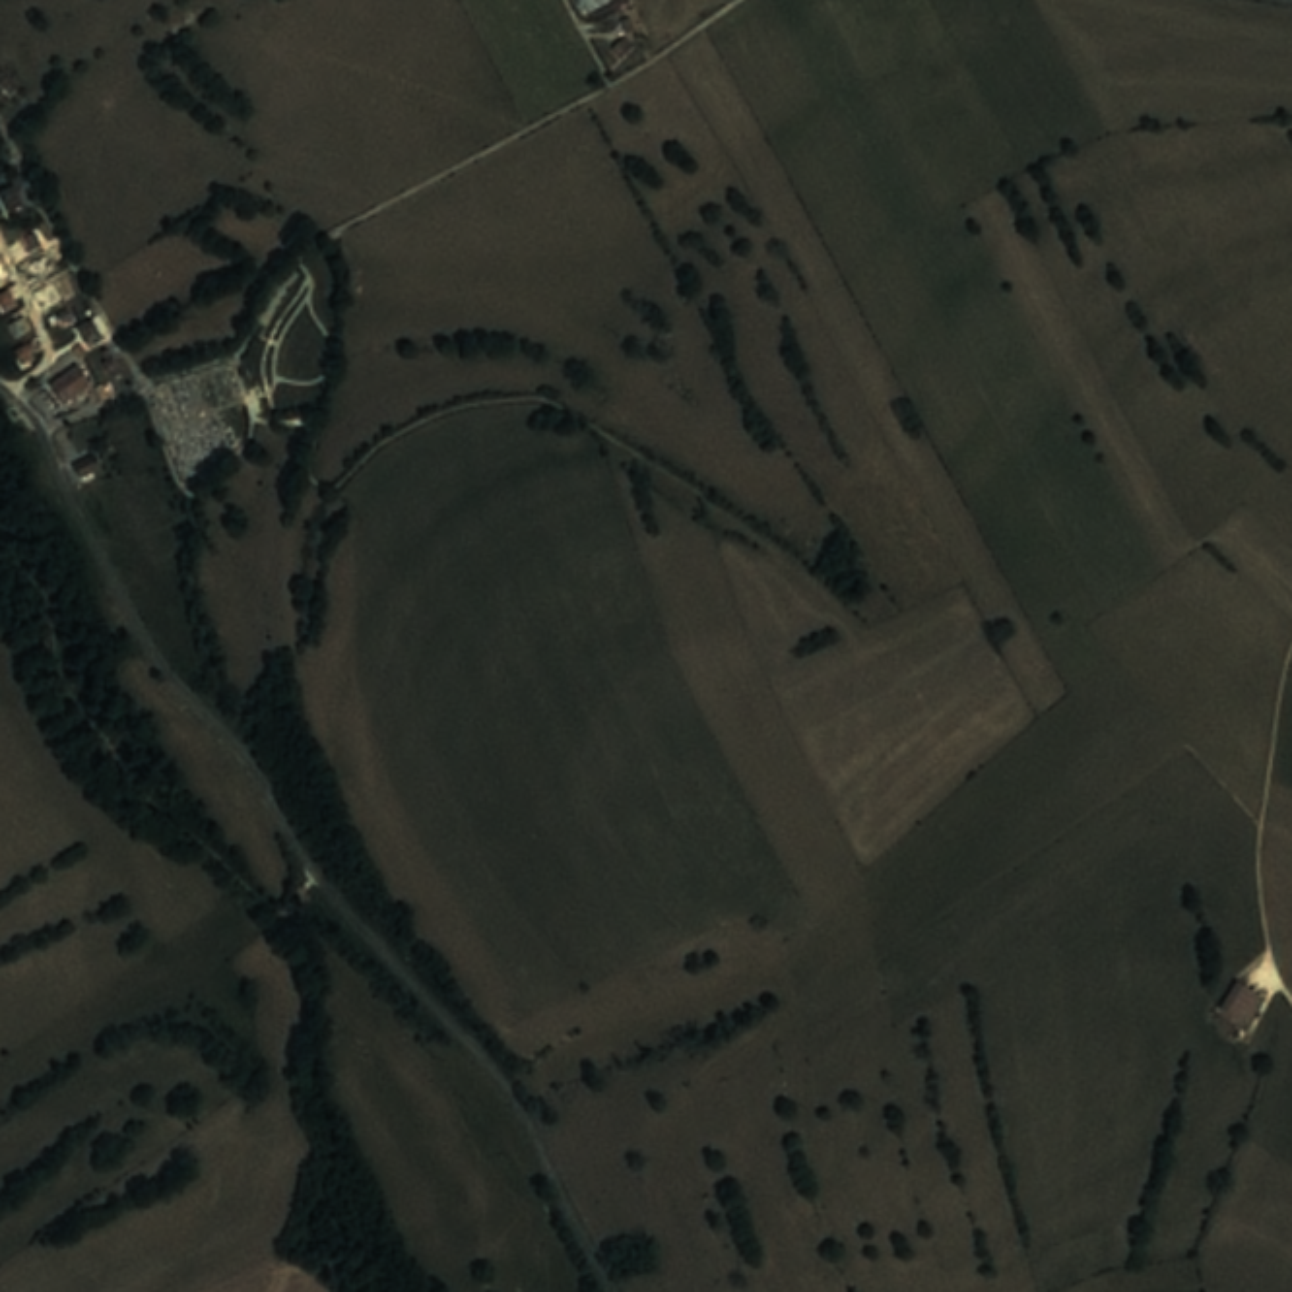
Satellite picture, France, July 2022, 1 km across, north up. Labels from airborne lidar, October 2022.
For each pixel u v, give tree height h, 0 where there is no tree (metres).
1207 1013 0
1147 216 0
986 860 0
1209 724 0
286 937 30
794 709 0
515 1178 0
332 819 20
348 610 0
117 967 0
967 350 0
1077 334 0
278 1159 0
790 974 0
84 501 0
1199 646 0
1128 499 0
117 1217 9
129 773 30
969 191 0
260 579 0
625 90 0
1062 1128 0
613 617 0
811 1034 0
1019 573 0
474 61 0
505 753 0
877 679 0
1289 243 0
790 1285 0
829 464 0
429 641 0
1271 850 0
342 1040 0
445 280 0
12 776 0
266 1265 0
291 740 14
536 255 0
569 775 0
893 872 0
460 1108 0
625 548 0
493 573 0
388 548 0
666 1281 0
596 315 0
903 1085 0
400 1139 0
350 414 0
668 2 0
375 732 0
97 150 0
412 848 0
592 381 20
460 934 0
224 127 11
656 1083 0
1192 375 15
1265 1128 0
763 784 0
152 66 19
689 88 0
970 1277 0
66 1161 15
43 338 0
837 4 0
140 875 0
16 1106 14
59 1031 0
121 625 0
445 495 0
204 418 0
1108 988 0
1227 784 0
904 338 0
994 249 0
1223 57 0
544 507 0
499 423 0
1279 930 0
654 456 14
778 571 0
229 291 19
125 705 25
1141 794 0
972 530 0
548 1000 0
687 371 0
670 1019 0
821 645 7
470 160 0
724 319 15
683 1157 0
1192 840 0
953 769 0
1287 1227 0
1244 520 0
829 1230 0
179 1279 0
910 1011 0
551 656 0
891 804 0
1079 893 0
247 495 0
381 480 0
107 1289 0
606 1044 0
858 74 0
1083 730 0
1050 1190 0
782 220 0
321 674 0
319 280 0
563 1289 0
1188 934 0
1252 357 0
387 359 0
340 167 0
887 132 0
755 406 6
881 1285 0
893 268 0
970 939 0
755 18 0
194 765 0
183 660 0
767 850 0
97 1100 0
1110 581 0
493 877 0
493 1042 20
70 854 8
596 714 0
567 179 0
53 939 11
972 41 0
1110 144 0
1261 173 0
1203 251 0
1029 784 0
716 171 0
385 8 0
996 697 0
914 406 13
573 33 0
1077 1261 0
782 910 0
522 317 0
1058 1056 0
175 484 9
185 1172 25
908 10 0
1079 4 0
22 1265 0
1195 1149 0
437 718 0
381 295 0
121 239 0
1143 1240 20
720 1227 17
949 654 0
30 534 26
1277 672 0
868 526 0
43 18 21
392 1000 20
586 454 0
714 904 0
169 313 22
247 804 0
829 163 0
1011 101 0
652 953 0
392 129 0
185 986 0
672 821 0
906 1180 0
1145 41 0
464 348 18
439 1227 0
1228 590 0
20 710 0
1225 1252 0
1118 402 0
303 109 0
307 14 0
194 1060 0
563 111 0
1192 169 0
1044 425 0
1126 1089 0
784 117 0
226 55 0
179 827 25
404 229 0
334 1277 23
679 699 0
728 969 0
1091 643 0
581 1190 0
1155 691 0
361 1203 7
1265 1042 0
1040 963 0
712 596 0
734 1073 0
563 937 0
